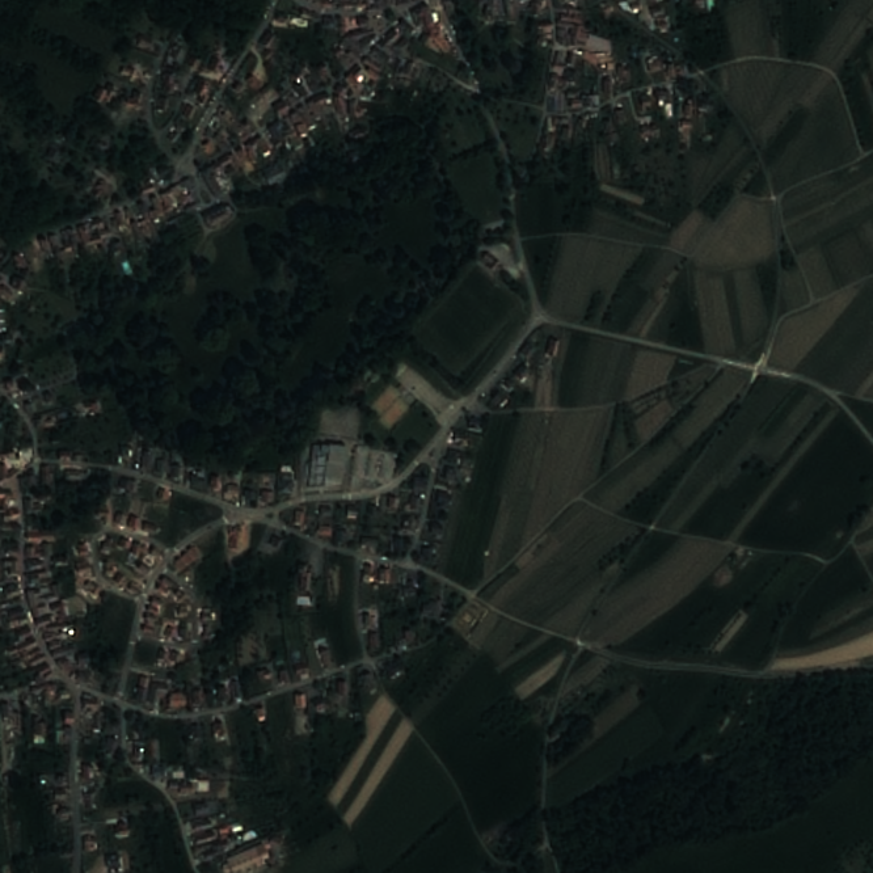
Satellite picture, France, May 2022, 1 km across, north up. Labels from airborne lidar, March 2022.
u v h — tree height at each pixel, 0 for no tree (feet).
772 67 0
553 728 25
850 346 0
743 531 0
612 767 0
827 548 0
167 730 0
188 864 0
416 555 36
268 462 0
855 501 0
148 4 74
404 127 72
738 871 0
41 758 25
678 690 0
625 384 0
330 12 0
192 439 97
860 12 0
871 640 0
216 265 0
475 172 0
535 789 0
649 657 0
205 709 0
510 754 0
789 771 58
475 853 0
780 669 0
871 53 0
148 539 0
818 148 0
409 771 0
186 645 0
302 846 0
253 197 31
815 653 0
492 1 0
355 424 0
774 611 0
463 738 0
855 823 0
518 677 0
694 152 0
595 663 0
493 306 0
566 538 0
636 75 0
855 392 0
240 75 0
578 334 0
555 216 0
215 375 0
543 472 0
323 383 96
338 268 0
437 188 52
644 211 0
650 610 0
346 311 0
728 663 0
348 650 0
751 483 0
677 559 0
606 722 0
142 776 0
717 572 0
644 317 0
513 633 0
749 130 0
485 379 0
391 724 0
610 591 0
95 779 0
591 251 0
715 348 0
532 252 0
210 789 0
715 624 0
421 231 0
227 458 104
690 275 0
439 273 38
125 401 65
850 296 0
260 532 0
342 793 0
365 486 0
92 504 47
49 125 61
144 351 41
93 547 0
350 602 0
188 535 0
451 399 0
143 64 0
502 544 0
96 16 31
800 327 0
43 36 21
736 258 0
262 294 31
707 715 0
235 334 0
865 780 0
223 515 0
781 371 0
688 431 0
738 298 0
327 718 22
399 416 0
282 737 0
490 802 0
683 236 0
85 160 25
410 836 0
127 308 0
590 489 0
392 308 76
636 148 0
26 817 0
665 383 0
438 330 0
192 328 0
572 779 0
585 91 0
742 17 0
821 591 0
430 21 0
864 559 0
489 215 0
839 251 0
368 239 79
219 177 0
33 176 39
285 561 0
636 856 58
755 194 0
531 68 56
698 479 0
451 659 0
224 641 41
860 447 0
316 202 0
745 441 0
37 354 0
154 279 35
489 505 0
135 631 0
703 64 0
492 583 0
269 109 0
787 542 0
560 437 0
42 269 0
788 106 0
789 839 0
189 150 0
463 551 0
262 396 94
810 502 0
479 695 0
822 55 0
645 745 0
